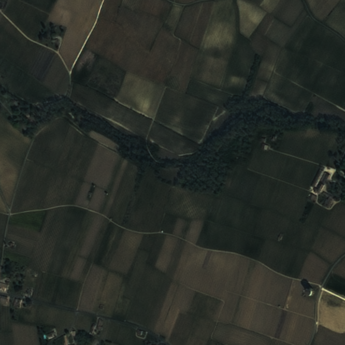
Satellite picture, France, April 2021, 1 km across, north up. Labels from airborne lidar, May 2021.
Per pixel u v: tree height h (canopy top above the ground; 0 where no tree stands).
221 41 0
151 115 0
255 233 0
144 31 0
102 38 0
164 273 0
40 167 0
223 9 0
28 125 18
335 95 0
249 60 0
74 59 0
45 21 0
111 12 0
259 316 0
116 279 0
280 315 0
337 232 0
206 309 0
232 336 0
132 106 0
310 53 0
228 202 0
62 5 0
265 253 0
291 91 0
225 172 12
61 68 0
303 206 0
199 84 0
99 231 0
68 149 0
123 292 0
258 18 0
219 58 0
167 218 0
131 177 0
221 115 0
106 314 0
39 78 0
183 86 0
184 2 0
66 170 0
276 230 0
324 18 0
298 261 0
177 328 0
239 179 0
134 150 25
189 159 7
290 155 0
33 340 0
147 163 18
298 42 0
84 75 0
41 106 0
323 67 0
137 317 0
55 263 0
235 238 0
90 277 0
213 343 0
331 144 0
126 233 0
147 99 0
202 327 0
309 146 0
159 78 0
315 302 0
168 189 0
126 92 0
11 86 0
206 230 0
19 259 0
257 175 0
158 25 0
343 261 0
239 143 18
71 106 18
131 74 0
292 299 0
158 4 0
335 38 0
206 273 0
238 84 0
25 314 0
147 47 0
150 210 0
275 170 0
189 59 0
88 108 0
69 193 0
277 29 0
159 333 0
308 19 0
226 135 18
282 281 0
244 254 0
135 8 0
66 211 0
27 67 0
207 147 15
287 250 0
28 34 0
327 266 0
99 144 0
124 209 0
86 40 0
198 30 0
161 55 0
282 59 0
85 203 0
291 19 0
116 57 0
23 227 0
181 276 0
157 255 0
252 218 0
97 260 0
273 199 0
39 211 0
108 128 22
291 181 0
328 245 0
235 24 0
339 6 0
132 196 0
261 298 0
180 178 18
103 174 0
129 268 0
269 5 0
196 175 20
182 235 0
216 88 0
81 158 0
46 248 0
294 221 0
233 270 0
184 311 0
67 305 0
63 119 0
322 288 0
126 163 0
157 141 0
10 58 0
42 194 0
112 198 0
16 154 0
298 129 17
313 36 0
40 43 0
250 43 0
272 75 0
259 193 0
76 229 0
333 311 0
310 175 0
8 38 0
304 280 0
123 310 0
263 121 26
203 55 0
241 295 0
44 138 0
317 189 0
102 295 0
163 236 0
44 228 0
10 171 0
